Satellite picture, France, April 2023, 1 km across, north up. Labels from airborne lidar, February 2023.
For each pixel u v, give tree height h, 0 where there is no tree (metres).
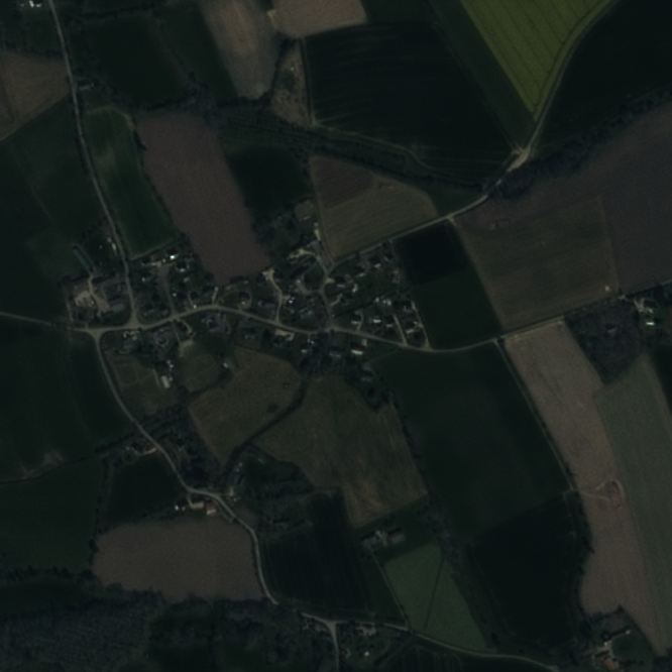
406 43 0
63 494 0
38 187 0
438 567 0
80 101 13
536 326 0
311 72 0
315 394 0
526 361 0
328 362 12
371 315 0
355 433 0
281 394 0
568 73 0
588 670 0
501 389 0
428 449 0
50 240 0
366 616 0
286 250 0
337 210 0
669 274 0
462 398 0
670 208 0
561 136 0
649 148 0
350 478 0
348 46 0
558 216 0
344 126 0
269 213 0
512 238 0
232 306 0
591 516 0
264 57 0
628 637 0
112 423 0
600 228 0
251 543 10
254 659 0
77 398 0
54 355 0
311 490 12
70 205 0
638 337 9
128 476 0
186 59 0
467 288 0
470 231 0
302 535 0
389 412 0
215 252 0
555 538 0
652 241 0
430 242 0
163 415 9
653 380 0
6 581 14
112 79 0
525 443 0
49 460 0
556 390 0
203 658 0
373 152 6
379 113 0
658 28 0
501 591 0
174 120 0
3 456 0
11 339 0
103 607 10
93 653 32
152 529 0
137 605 31
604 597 0
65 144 0
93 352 0
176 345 7
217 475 8
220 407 0
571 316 9
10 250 0
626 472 0
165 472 0
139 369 0
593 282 0
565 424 0
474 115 0
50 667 15
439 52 0
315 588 0
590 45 0
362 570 0
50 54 12
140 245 0
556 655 0
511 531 0
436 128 0
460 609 0
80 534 0
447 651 0
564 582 0
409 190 0
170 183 0
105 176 0
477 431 0
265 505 16
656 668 15
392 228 0
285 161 0
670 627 0
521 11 0
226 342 0
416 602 0
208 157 0
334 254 0
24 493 0
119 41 0
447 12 0
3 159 0
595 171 0
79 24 8
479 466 0
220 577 0
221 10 0
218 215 0
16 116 0
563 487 0
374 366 0
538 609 0
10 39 0
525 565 0
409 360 0
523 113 0
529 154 0
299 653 17
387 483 0
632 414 0
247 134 19
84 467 0
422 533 0
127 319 0
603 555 0
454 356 0
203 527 0
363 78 0
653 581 0
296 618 12
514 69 0
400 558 0
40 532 0
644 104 8
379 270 0
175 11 0
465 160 0
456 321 0
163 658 0
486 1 0
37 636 36
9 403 0
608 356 17
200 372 0
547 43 0
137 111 18
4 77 0
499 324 0
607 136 16
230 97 0
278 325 0
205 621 0
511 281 0
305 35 0
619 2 0
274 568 0
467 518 0
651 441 0
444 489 0
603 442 0
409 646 0
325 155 12
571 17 0
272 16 0
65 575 15
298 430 0
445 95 0
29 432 0
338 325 0
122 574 0
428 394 0
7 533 0
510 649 0
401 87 0
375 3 0
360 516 0
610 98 0
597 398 0
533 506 0
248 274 0
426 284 0
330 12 0
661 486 0
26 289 0
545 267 0
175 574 0
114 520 0
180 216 0
